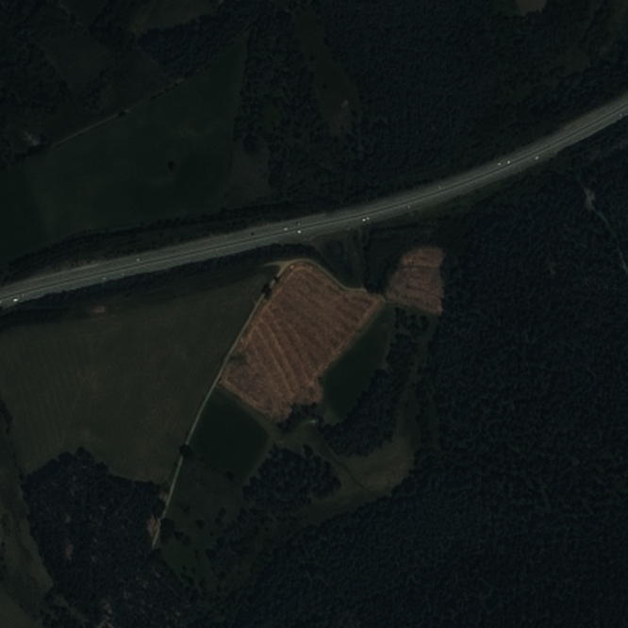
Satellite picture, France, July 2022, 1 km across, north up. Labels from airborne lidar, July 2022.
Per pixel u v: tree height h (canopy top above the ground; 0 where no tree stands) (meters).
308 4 12
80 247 9
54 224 0
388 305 0
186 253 0
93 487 27
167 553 0
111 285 8
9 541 0
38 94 20
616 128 10
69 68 0
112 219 0
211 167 0
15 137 0
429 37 17
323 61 0
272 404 0
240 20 15
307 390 0
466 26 20
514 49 9
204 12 0
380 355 0
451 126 20
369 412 25
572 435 13
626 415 21
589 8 11
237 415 0
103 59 0
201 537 0
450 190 0
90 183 0
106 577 26
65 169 0
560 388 19
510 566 24
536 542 33
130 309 0
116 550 32
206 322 0
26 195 0
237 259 8
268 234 0
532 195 7
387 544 21
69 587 12
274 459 16
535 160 0
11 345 0
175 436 0
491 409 14
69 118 0
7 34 19
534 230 31
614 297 17
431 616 31
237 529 23
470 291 10
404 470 0
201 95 0
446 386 17
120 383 0
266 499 18
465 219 8
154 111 0
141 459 0
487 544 17
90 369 0
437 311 0
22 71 22
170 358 0
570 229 30
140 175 0
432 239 7
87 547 14
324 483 10
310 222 0
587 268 15
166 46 19
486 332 15
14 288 0
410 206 0
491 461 28
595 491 20
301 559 6
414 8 25
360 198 9
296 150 14
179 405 0
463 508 27
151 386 0
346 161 10
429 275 0
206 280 0
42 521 28
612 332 13
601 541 11
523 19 13
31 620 0
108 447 0
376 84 20
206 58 22
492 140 6
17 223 0
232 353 0
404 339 10
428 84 26
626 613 24
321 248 0
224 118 0
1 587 0
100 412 0
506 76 10
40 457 0
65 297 11
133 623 28
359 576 22
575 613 19
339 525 13
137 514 32
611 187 27
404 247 11
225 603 9
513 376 20
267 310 0
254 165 0
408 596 14
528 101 10
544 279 21
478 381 17
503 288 34
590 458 18
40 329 0
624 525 16
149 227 9
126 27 24
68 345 0
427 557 26
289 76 21
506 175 0
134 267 0
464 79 20
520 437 17
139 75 0
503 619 22
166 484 0
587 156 9
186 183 0
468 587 20
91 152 0
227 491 0
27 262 9
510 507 15
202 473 0
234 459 0
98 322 0
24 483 8
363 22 20
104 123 0
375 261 14
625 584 18
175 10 0
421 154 20
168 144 0
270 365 0
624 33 0
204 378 0
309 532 12
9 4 21
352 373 0
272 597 20
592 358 26
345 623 11
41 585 0
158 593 28
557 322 25
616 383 24
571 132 0
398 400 10
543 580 14
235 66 0
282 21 28
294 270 0
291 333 0
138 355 0
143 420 0
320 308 0
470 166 7
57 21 19
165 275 7
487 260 23
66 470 28
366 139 18
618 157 24
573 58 0
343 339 0
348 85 0
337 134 0
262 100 16
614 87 7
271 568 14
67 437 0
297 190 12
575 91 24
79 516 18
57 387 0
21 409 0
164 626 23
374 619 14
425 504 21
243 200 0
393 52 21
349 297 0
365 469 0
